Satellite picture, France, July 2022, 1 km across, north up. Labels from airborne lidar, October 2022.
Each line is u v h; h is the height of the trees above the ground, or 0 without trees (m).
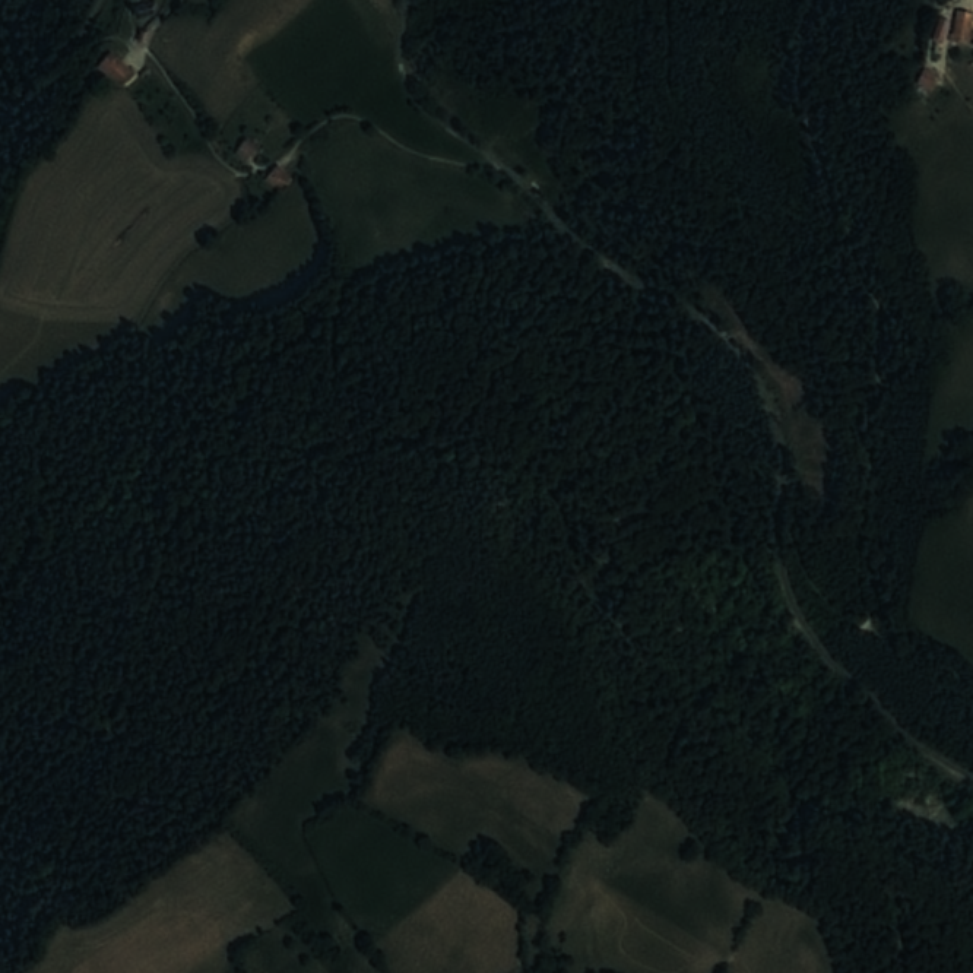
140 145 0
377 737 11
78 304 0
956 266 0
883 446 22
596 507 23
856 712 19
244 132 9
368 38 0
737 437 29
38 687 32
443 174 0
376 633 18
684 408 31
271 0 0
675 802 19
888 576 36
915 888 29
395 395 28
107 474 21
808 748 24
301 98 0
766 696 34
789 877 31
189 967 0
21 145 33
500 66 24
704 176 31
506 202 0
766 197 23
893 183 19
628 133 28
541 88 7
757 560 18
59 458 24
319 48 0
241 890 0
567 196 13
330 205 0
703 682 26
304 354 24
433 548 19
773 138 7
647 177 29
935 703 18
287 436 20
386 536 24
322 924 0
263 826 0
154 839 19
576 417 38
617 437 27
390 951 0
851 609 14
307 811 0
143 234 0
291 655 23
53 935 11
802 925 0
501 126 0
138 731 22
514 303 30
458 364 30
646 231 35
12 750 22
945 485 31
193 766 24
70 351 0
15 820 21
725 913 0
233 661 25
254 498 22
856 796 23
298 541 29
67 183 0
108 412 25
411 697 11
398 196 0
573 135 32
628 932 0
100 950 0
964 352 0
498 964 0
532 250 30
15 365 0
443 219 0
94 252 0
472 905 0
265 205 13
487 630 14
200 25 0
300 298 32
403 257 8
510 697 15
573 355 25
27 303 0
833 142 26
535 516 9
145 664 29
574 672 12
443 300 25
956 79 0
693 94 18
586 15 30
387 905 0
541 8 25
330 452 25
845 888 30
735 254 16
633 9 20
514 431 29
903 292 32
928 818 0
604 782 11
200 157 0
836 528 37
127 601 27
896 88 12
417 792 0
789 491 18
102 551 24
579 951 0
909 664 19
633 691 18
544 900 17
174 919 0
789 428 0
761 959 0
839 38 24
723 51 9
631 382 20
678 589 27
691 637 21
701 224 25
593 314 36
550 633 16
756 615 10
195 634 22
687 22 15
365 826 0
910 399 20
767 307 35
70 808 21
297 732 11
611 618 9
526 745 12
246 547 20
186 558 29
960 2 0
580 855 0
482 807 0
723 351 24
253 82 0
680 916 0
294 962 0
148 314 0
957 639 0
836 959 17
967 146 0
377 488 27
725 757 25
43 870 30
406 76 0
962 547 0
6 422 25
